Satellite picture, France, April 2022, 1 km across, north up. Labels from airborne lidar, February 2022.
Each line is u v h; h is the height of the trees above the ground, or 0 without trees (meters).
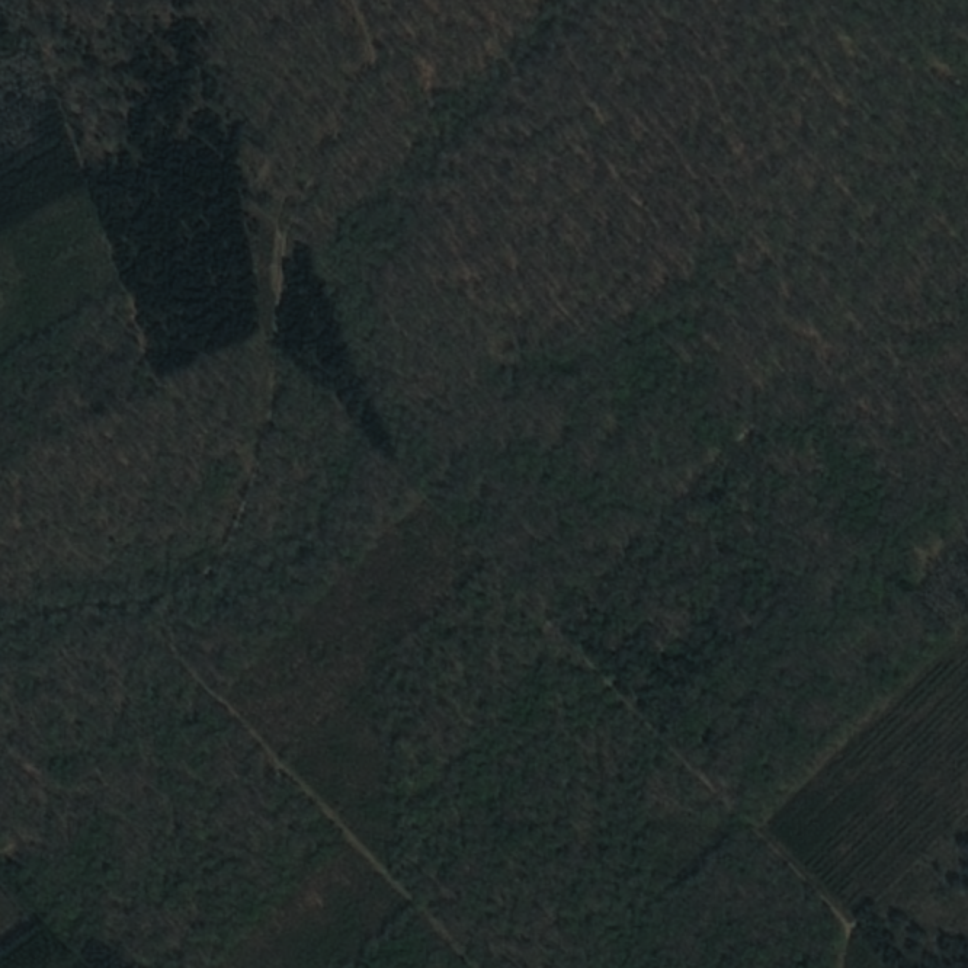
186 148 19
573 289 22
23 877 21
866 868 0
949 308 23
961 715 0
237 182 15
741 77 28
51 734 29
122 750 28
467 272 30
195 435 29
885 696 28
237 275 21
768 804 25
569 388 26
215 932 29
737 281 27
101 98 27
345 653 11
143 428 30
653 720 15
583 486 23
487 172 26
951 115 30
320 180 27
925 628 26
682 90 27
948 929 0
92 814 28
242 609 27
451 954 23
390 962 21
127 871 26
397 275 23
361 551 25
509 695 25
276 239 0
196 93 25
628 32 23
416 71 28
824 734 22
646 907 23
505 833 28
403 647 21
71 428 28
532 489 26
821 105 28
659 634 25
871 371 27
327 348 24
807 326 31
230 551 21
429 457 24
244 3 33
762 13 28
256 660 24
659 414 26
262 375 27
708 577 21
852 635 30
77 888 24
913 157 32
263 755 25
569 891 23
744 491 26
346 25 11
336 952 11
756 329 29
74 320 22
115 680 26
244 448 15
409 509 27
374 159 25
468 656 25
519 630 27
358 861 9
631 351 22
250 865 28
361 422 22
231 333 20
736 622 28
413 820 21
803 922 26
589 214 27
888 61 28
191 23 14
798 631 26
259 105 29
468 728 26
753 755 24
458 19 24
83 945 22
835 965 22
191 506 24
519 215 26
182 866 25
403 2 27
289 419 25
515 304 29
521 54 21
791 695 22
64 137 19
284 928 13
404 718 25
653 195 23
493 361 26
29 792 30
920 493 30
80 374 29
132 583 22
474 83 19
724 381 27
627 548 21
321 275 25
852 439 28
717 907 27
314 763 9
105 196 20
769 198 28
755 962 24
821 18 30
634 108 26
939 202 28
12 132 22
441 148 22
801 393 25
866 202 31
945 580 24
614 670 23
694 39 23
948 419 26
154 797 24
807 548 23
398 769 22
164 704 27
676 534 26
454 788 25
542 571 25
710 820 26
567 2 22
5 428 26
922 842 0
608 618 12
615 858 26
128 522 22
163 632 25
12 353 17
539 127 20
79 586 24
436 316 28
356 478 24
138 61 18
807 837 0
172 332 17
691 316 27
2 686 28
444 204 26
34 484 30
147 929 27
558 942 28
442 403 25
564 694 23
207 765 25
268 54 31
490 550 28
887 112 30
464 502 27
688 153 24
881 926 17
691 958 27
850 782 0
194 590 25
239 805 29
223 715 26
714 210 24
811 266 29
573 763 19
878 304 28
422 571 11
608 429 24
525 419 25
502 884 28
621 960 23
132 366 28
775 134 27
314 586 23
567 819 28
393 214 26
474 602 23
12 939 0
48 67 24
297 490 17
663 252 25
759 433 25
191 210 22
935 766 0
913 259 29
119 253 13
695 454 21
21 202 15
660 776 25
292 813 25
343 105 30
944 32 29
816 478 25
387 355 19
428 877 24
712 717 24
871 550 27
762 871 26
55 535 23
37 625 26
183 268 11
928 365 28
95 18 26
